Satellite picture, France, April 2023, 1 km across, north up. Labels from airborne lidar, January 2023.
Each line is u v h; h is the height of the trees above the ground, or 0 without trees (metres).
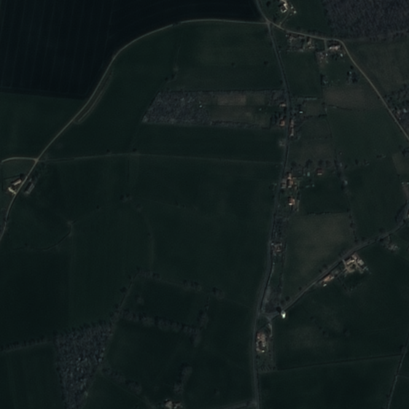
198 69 0
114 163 0
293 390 0
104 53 0
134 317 13
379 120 0
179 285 0
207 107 0
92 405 0
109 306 0
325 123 0
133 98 0
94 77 0
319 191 0
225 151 0
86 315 0
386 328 0
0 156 0
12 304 0
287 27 0
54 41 0
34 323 0
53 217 0
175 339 0
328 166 12
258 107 0
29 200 0
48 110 0
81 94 0
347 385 0
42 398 0
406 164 0
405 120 11
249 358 0
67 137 0
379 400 0
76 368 24
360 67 0
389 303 0
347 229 0
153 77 0
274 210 0
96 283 0
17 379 0
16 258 0
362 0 26
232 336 0
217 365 0
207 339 0
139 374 0
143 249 0
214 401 0
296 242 0
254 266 0
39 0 0
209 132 0
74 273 0
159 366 0
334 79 0
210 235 0
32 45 0
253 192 0
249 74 0
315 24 0
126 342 0
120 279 0
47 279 0
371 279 0
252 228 0
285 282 0
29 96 0
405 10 18
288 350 0
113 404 0
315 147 0
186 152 0
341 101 0
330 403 0
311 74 0
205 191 0
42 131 0
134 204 0
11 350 13
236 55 0
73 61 0
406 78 0
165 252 0
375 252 0
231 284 0
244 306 0
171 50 0
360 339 0
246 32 0
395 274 0
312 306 0
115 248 0
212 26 0
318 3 0
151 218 0
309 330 0
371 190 0
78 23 0
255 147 0
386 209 0
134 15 0
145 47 0
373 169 0
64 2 0
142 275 14
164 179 0
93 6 0
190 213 0
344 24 23
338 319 0
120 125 0
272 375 0
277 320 0
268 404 0
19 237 0
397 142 0
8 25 0
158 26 0
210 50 0
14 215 0
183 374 17
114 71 0
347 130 0
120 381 20
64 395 16
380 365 0
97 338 23
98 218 0
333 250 0
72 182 0
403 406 0
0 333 0
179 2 0
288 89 7
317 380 0
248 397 0
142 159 0
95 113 0
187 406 0
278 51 7
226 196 0
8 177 0
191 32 0
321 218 0
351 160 0
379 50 0
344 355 0
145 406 0
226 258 0
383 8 19
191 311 0
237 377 0
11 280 0
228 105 0
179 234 0
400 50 0
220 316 0
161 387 0
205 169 0
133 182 0
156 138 0
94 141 0
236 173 0
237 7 0
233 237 0
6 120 0
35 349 0
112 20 0
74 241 0
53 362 0
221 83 0
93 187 0
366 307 0
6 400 0
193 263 0
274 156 0
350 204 0
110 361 0
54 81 0
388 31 22
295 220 0
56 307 0
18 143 0
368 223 0
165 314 0
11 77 0
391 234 10
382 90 0
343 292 0
